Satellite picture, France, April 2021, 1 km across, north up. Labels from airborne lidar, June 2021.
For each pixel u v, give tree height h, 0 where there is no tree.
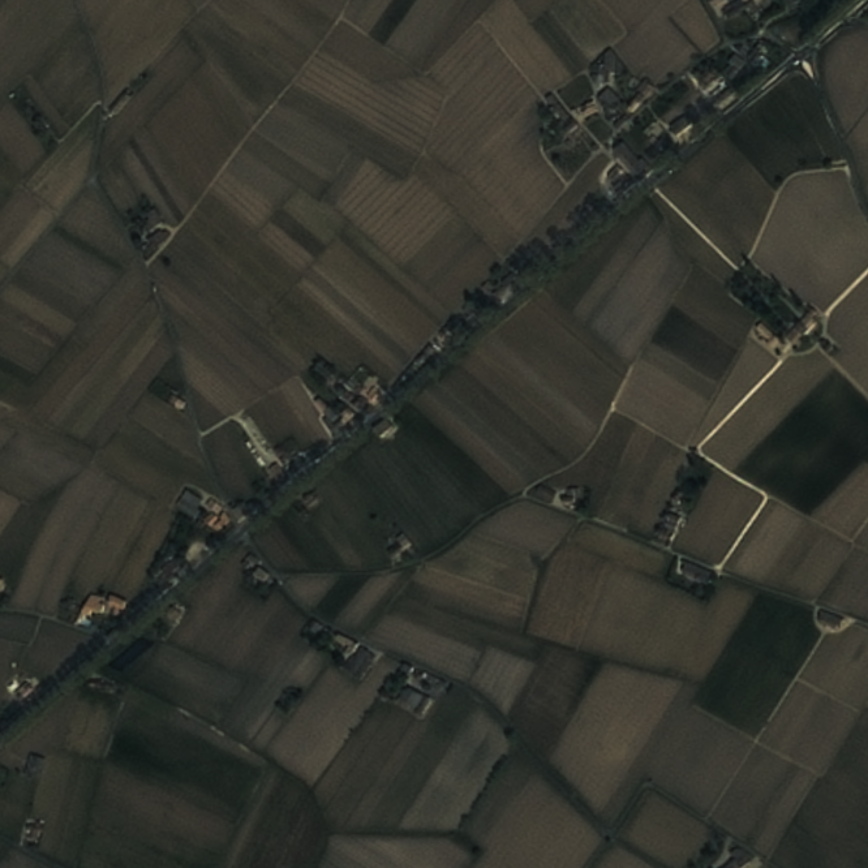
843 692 0
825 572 0
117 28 0
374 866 0
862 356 0
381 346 0
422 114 0
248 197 0
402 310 0
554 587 0
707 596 8
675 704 0
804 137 0
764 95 0
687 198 0
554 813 0
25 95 0
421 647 0
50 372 0
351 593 0
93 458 0
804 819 0
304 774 0
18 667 0
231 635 0
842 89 0
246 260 0
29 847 7
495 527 0
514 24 0
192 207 0
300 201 0
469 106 0
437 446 0
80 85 0
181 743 0
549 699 0
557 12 0
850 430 0
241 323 0
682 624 0
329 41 0
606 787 0
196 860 0
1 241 0
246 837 0
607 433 0
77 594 0
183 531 10
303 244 0
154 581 9
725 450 0
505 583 0
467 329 22
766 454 0
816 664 0
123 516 0
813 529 0
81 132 0
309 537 0
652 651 0
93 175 0
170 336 0
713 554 0
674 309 0
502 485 0
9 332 0
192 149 0
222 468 0
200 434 0
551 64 0
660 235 0
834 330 0
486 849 0
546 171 0
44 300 0
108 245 0
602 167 0
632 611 0
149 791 0
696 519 0
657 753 0
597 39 0
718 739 0
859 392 0
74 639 0
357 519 0
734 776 0
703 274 0
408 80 0
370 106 0
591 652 0
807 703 0
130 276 0
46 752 0
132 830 0
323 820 0
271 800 0
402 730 0
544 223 0
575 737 0
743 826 0
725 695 0
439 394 0
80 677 27
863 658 0
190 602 0
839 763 0
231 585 0
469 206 0
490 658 0
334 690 0
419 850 0
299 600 0
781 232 0
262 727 0
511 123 0
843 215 0
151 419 0
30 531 0
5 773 9
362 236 0
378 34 0
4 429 0
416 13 0
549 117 11
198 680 0
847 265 0
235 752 0
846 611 0
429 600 0
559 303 0
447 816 0
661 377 0
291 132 0
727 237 0
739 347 0
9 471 0
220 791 0
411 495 0
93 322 0
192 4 0
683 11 0
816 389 0
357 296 0
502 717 0
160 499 0
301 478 26
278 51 0
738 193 0
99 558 0
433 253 0
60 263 0
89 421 0
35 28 0
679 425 0
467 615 0
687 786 0
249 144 0
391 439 0
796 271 0
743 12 7
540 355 0
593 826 0
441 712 0
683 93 7
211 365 0
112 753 0
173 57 0
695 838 0
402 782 0
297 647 0
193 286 0
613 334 0
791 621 0
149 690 0
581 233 28
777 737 0
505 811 0
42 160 0
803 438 0
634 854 0
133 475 0
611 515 0
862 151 0
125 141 0
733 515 0
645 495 0
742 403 0
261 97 0
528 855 0
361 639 0
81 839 0
